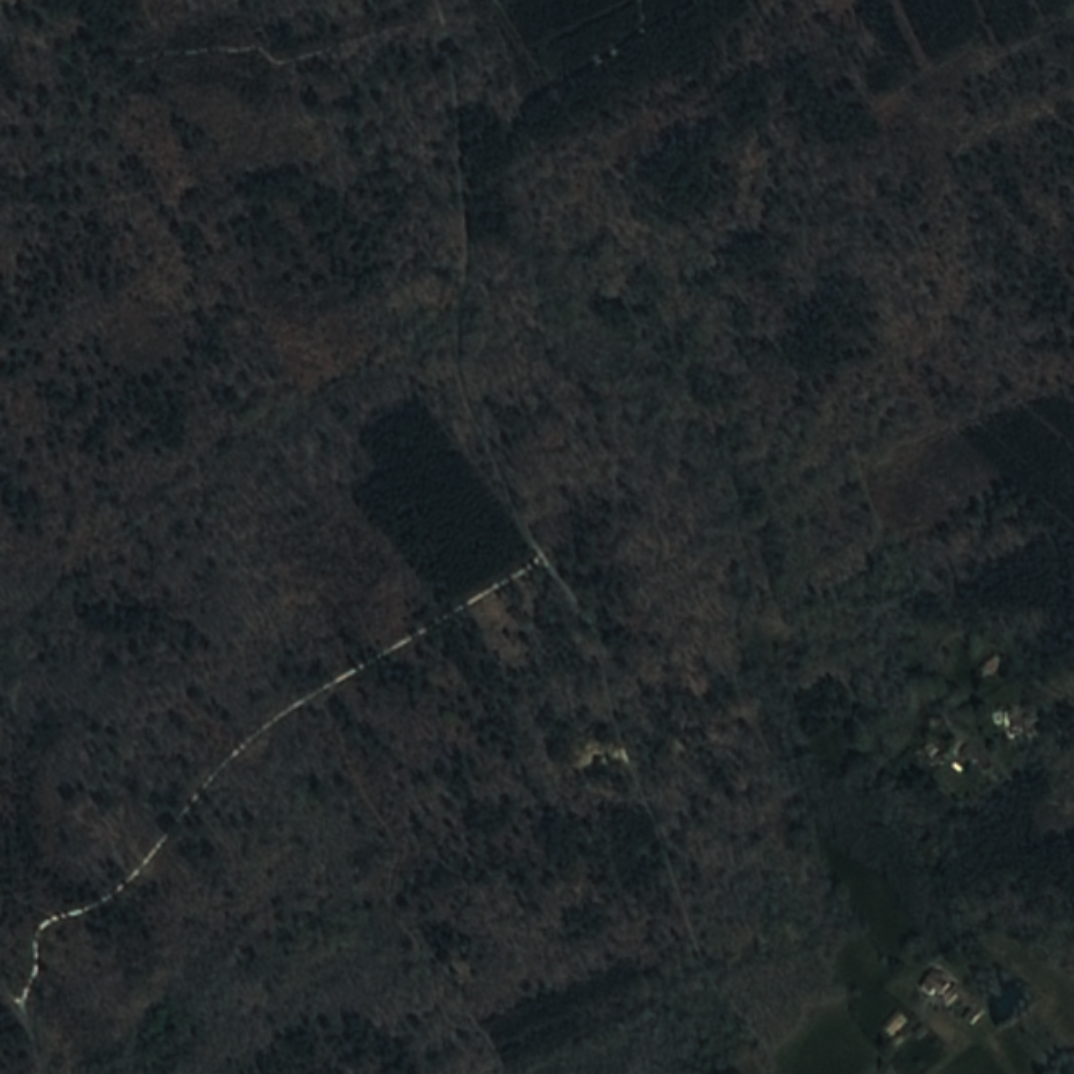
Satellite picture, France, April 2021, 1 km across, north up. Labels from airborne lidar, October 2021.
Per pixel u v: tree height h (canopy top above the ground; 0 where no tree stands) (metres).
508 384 10
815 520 16
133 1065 17
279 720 7
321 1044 12
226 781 15
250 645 9
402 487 20
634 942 13
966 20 13
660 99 12
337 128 14
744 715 20
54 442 15
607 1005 10
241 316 14
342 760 8
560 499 17
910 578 19
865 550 16
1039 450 8
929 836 11
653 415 15
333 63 8
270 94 7
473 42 10
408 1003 10
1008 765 0
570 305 19
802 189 25
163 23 7
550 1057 10
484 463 17
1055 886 18
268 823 8
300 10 13
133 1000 21
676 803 17
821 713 17
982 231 15
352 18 17
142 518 14
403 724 7
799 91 24
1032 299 10
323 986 6
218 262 19
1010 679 19
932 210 8
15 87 7
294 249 26
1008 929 15
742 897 15
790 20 12
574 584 19
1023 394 7
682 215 25
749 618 18
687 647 17
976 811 8
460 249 10
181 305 9
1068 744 12
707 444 23
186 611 9
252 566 10
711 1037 11
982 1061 0
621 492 11
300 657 9
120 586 10
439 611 6
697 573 17
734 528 23
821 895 15
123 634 18
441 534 18
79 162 7
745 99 16
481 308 16
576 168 18
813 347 24
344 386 8
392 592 8
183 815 25
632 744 15
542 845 20
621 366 17
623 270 8
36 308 14
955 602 11
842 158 13
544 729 11
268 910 8
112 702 15
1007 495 18
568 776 9
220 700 12
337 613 7
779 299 12
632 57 19
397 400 11
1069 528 8
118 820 12
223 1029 9
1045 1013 0
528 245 11
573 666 26
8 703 14
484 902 15
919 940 17
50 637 8
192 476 16
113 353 11
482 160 20
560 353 17
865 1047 0
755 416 15
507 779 11
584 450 15
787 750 24
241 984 11
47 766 8
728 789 16
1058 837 0
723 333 17
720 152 26
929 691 21
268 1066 14
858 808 18
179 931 9
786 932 25
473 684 16
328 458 14
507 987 7
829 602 22
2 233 8
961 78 0
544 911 11
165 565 12
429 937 17
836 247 13
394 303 15
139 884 6
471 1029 12
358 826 9
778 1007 24
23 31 26
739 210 16
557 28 10
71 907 12
